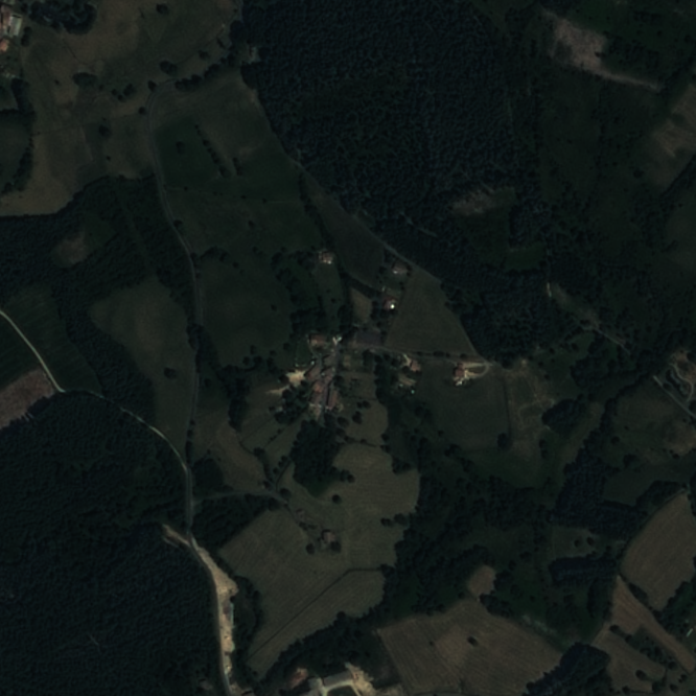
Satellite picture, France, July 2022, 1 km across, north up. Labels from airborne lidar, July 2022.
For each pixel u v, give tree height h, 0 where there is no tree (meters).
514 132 12
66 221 21
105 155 0
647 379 13
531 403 0
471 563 10
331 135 15
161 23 0
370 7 25
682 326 7
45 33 0
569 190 15
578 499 28
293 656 13
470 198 25
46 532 13
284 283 18
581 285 16
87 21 22
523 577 0
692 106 0
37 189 0
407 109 9
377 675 0
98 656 25
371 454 0
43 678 28
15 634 29
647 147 0
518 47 16
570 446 0
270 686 14
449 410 0
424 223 17
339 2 20
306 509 0
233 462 0
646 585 0
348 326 6
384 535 0
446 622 0
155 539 28
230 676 0
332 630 15
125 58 0
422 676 0
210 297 0
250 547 0
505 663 0
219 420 0
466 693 0
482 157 30
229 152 0
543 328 26
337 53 21
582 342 0
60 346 0
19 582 38
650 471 0
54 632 31
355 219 0
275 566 0
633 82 0
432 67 19
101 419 21
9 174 0
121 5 0
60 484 25
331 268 0
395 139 15
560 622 7
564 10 33
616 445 9
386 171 14
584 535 0
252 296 0
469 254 21
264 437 0
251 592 11
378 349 0
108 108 0
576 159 0
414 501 0
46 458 19
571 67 0
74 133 0
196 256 14
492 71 25
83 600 34
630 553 0
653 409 0
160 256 7
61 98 0
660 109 0
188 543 0
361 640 19
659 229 7
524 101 10
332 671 7
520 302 25
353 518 0
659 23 19
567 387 0
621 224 0
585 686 14
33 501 23
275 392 0
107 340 13
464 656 0
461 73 17
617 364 19
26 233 16
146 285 0
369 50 22
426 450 11
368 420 0
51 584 34
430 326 0
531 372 0
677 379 0
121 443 17
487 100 21
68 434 24
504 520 13
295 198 0
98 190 8
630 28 0
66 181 0
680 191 8
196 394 0
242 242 0
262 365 22
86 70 0
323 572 0
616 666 0
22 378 0
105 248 7
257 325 0
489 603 18
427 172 21
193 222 0
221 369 12
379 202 18
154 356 0
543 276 22
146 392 15
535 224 13
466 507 11
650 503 15
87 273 9
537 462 0
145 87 0
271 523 0
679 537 0
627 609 0
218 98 0
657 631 0
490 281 20
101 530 17
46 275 16
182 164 0
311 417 0
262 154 0
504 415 0
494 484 18
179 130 0
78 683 29
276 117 21
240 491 0
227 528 9
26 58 0
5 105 0
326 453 8
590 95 0
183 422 0
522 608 0
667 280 0
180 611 25
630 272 16
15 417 0
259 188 0
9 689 13
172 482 13
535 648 0
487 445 0
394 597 11
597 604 24
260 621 13
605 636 0
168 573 28
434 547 17
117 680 29
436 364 0
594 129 0
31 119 14
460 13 18
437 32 18
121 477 19
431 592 14
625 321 17
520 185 27
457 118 25
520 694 0
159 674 16
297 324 15
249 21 23
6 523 23
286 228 0
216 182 0
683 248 0
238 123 0
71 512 20
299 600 0
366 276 0
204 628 19
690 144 0
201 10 0
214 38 0
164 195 0
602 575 33
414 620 0
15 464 23
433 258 17
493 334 22
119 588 27
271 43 27
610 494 0
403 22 20
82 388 0
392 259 8
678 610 6
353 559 0
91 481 16
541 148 7
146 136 0
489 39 19
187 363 0
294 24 24
